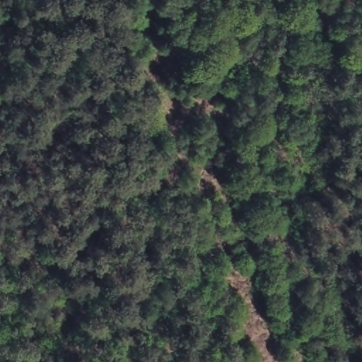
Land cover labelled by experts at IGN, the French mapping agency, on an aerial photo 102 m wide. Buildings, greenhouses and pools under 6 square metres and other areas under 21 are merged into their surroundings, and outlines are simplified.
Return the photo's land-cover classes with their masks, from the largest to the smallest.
<instances>
[{"label":"coniferous trees","instance_id":"1","mask_svg":"<svg viewBox=\"0 0 362 362\"><path fill-rule=\"evenodd\" d=\"M130 8L120 3V0H0V362H262V355L257 352L249 335H245L240 341L235 342L226 334L233 325L230 314L238 308L235 303L226 305L221 315L205 317L202 293L208 286V274L211 273L214 264L222 266L223 255L229 257L230 263L240 262L249 257L256 260L269 253L276 247V243L269 236L262 242H253L246 238L235 239L232 243L225 240L223 243L216 242L211 250L199 253L198 259L192 260L189 259V238L194 223L188 221V215L198 212L206 199L215 195V191L223 185L235 184L242 180V171L249 170V163H245L236 151L239 137L245 134L249 136V133L245 127L236 126L233 100L221 93H216L211 99L201 100L192 107H185L178 99L171 100L170 92L164 89L165 86L173 81L182 83L184 78L194 74L199 62L206 61L204 54L201 51L195 52L180 47L177 40L181 37L180 33L171 34V18L160 17L150 10L147 11L148 25L144 28V37L150 38L157 49L167 48L170 54L167 57H156L148 64L146 58L141 55L139 42L130 40L133 28L126 27L124 14ZM206 113H211L214 120L219 137L218 148L205 165L199 191L197 194H189L185 187L192 171L191 165L184 160L187 154L177 150L173 154H168L165 151V144L173 139H180L192 129H202ZM321 40L331 48V58L327 64L315 66L314 74L322 78L327 89L344 88V83L349 79V69L362 74V0H341L334 13L320 11L317 14ZM320 115L317 116L321 136L320 143L313 153L315 163L310 165V171L304 177V185L298 189L296 197L281 202L283 214L290 222L286 233L284 259L296 255L307 256L308 263L315 273L337 274L335 281L341 296L339 308L344 315L342 327L346 335L348 362H362V168L348 164L352 157L355 127L352 124H341L342 117L356 116L354 103L348 99L337 102L322 99ZM267 351L273 356L274 361L279 362H283L287 358V346L281 345L279 337L274 332L269 334L266 341Z\"/></svg>","mask_w":362,"mask_h":362},{"label":"deciduous trees","instance_id":"2","mask_svg":"<svg viewBox=\"0 0 362 362\"><path fill-rule=\"evenodd\" d=\"M341 0H120V3L130 8L124 14L126 27L133 28L130 40L139 42L141 55L146 58L148 64L156 57H167L170 54L167 48L157 49L150 38L144 37V28L148 25L147 11L150 10L160 17L171 18V34L180 33L181 37L177 40L180 47L195 52L201 51L204 54L206 61L199 62L194 74L184 78L182 83L173 81L165 86L164 89L170 92L171 100L178 99L185 107H192L201 100L211 99L216 93H221L233 100L236 126L245 127L249 133V136L245 134L239 137L236 151L245 163H249V170L242 171V180L235 184L223 185L215 191V195L206 199L198 212L188 215V221L194 223L189 238V259L192 260L198 259L199 253L211 250L216 242L223 243L225 240L232 243L235 239L246 238L253 242H262L269 236L276 243V247L269 253L256 260L249 257L240 262L230 263L229 257L223 255L222 266L214 264L211 273L208 274V286L202 293L205 317L221 315L226 305L235 303L238 308L230 314L233 325L226 334L235 342L240 341L245 335V325L252 307L243 303L238 290L230 286V266L235 267L243 277H250V296L255 291L267 294V314L262 318L266 322L269 334L274 332L279 337L281 345L287 346V358L283 362H348L346 335L342 327L344 315L339 308L341 296L335 281L337 274L315 273L308 263L307 256L296 255L284 259L286 233L290 222L283 214L281 202L296 197L298 189L304 185V177L310 171V165L315 163L313 153L320 143L321 136L317 116L320 115L322 99L337 102L348 99L354 103L356 116L342 117L341 124H352L355 127L352 157L348 164L362 168V74L349 69V79L344 83V88L327 89L322 78L314 74L315 66L327 64L331 58V48L321 40L317 14L320 11L334 13ZM202 129H192L180 139H173L165 144V151L168 154H173L177 150L187 154L184 160L191 165L192 171L185 187L189 194H197L199 191L205 165L218 148L219 137L214 120L211 113H206Z\"/></svg>","mask_w":362,"mask_h":362},{"label":"pervious surface","instance_id":"3","mask_svg":"<svg viewBox=\"0 0 362 362\"><path fill-rule=\"evenodd\" d=\"M230 286L238 290L243 303L252 307L245 325V335H249L257 352L262 355V362H279L274 361L273 356L267 351L266 341L269 334L266 322L262 318L267 314V294L255 291L250 296V277H243L235 267L230 266Z\"/></svg>","mask_w":362,"mask_h":362}]
</instances>
